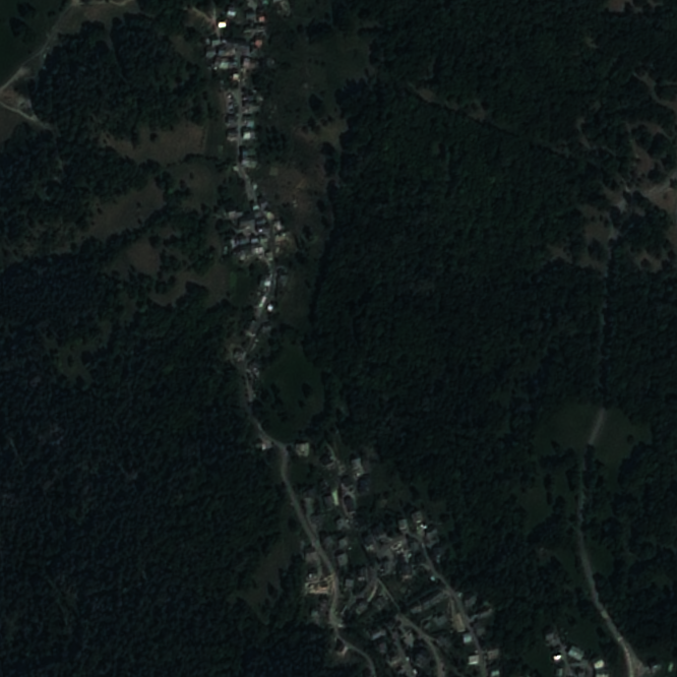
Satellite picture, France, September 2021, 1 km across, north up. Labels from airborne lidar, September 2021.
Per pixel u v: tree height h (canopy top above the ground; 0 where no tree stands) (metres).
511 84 22
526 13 17
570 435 0
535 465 8
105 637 20
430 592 7
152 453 22
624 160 17
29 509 20
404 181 6
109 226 0
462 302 24
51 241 7
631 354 24
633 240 24
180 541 20
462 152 16
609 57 21
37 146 19
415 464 30
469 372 19
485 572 23
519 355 21
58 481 24
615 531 17
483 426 26
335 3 7
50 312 21
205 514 17
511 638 22
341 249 24
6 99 0
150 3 16
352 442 10
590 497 14
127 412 26
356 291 26
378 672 7
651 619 29
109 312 19
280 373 0
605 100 17
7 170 28
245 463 33
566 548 15
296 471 0
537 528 0
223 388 18
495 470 19
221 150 0
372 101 21
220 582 29
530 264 24
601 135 18
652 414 27
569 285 24
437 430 32
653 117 18
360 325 18
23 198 19
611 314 14
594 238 0
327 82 0
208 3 11
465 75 23
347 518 0
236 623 28
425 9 21
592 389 19
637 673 0
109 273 0
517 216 21
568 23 26
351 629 8
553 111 21
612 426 0
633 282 24
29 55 6
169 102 18
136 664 21
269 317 8
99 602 27
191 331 24
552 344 23
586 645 0
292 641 24
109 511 22
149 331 23
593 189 23
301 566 18
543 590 19
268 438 0
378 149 20
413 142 23
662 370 26
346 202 25
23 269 9
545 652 0
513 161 19
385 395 21
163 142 0
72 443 27
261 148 6
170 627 32
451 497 21
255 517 27
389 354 21
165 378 26
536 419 26
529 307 20
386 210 21
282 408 22
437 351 26
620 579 18
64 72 20
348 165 19
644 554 18
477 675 11
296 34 8
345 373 8
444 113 19
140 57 17
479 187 21
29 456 28
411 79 19
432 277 27
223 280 0
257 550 7
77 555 31
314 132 18
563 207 21
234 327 7
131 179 23
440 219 23
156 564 7
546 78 24
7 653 29
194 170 0
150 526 28
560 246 15
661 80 18
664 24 23
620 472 0
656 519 27
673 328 24
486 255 22
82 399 23
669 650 19
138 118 20
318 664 20
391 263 23
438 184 17
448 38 28
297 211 0
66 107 17
